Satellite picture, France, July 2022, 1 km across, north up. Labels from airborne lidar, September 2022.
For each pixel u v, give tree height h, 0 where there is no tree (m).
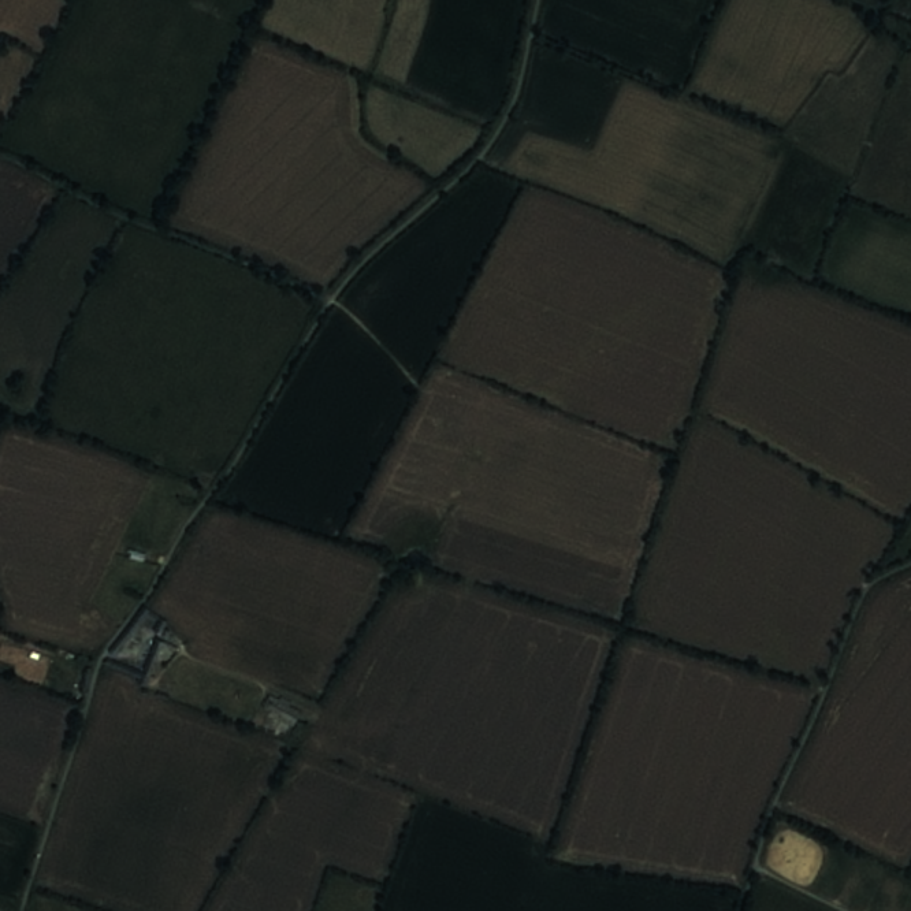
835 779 0
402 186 0
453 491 0
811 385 0
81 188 8
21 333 0
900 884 0
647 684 0
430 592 0
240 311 0
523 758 0
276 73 0
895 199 0
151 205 0
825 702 0
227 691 0
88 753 0
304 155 0
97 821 0
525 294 0
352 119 0
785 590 0
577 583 0
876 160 0
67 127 0
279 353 0
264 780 0
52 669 0
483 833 0
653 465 0
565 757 0
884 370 0
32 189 0
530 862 0
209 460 0
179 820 0
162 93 0
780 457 8
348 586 0
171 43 0
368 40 0
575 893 0
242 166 0
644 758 0
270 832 0
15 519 0
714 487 0
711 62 0
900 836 0
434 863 0
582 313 0
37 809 0
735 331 0
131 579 0
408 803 0
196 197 0
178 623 0
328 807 0
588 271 0
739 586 0
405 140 0
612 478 0
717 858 0
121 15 0
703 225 0
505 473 0
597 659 0
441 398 0
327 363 0
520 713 0
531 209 0
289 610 0
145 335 0
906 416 0
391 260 0
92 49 0
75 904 7
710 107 17
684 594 0
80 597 0
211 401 0
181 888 0
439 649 0
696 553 0
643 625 0
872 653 0
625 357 0
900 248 0
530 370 0
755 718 0
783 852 0
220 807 0
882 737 0
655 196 0
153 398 0
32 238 9
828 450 0
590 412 0
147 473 0
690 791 0
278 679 0
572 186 0
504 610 0
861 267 0
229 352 0
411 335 0
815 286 8
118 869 0
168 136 0
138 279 0
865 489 0
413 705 0
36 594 0
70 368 0
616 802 0
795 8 0
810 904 0
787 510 0
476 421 0
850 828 0
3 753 0
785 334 0
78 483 0
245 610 0
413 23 0
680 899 0
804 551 0
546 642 0
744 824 0
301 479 0
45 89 0
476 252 0
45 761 0
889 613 0
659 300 0
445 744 0
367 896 0
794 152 0
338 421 0
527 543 0
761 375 0
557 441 0
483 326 0
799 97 0
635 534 0
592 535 0
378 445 0
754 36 0
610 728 0
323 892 9
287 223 0
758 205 0
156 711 0
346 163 0
